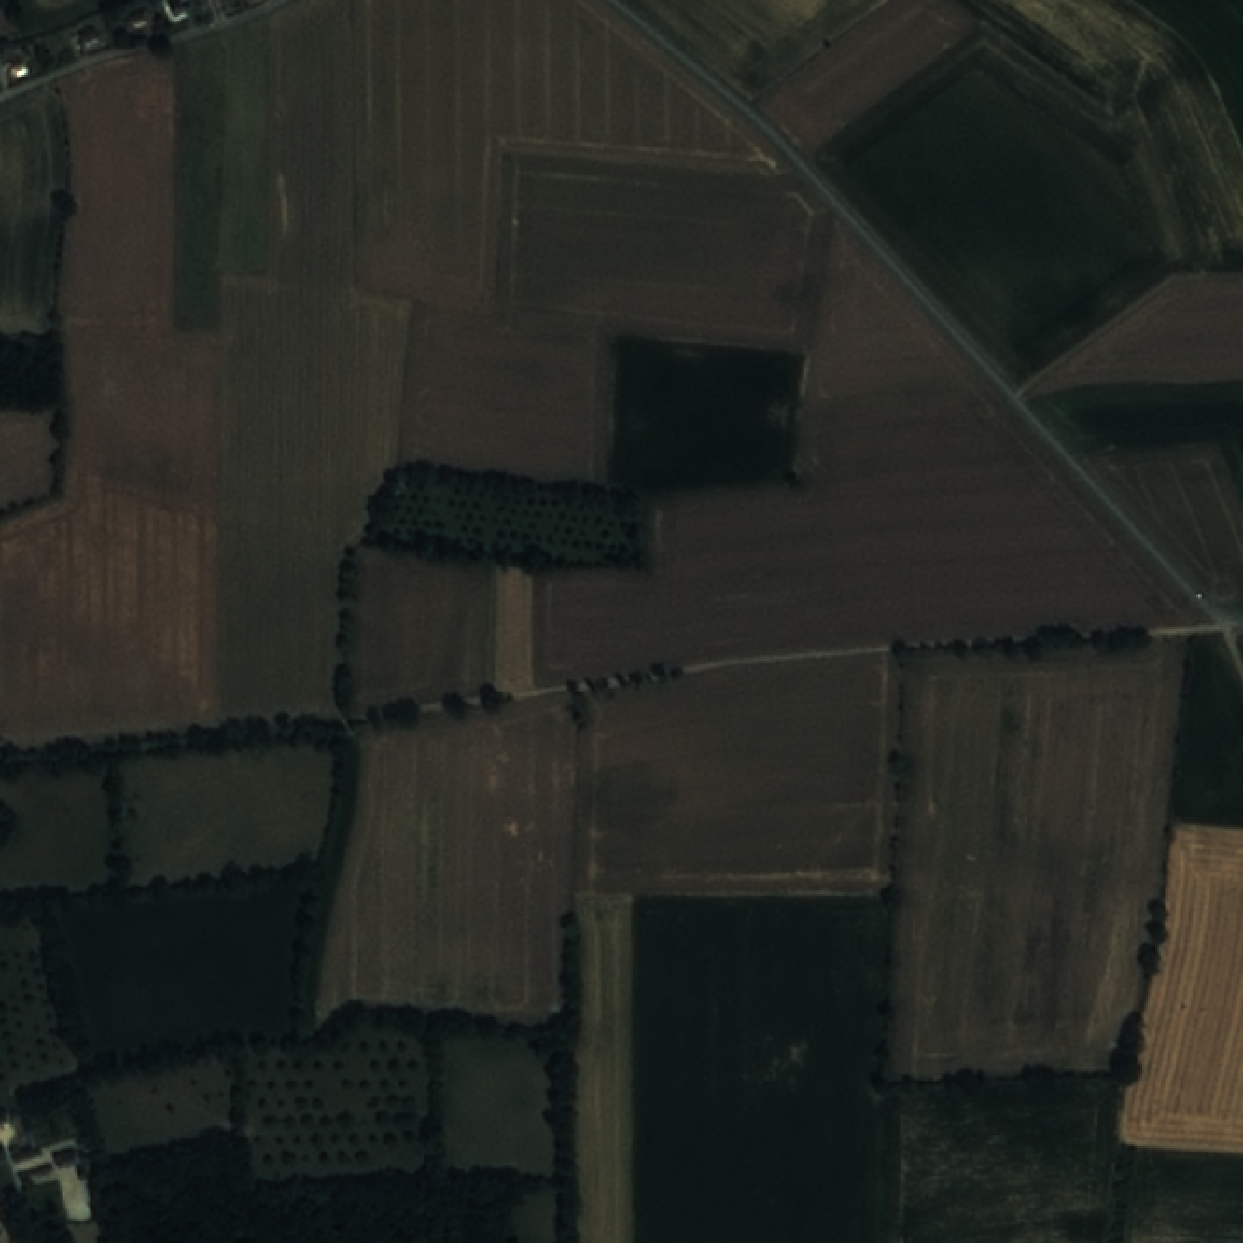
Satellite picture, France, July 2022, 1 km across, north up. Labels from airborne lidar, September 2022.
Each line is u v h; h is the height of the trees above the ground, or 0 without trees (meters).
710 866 0
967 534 0
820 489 0
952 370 0
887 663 0
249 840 0
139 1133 0
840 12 0
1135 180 0
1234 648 0
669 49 0
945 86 0
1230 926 0
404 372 0
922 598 0
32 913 19
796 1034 0
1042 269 0
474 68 0
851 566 0
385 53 0
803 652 0
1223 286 0
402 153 0
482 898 0
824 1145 0
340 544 0
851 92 0
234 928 0
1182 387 0
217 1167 18
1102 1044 0
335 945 0
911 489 0
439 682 0
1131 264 0
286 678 0
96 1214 16
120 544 0
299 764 0
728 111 0
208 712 0
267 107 0
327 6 0
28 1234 26
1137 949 0
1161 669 0
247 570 0
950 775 0
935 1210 0
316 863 21
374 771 0
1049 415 0
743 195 0
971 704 0
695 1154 0
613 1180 0
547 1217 0
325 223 0
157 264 0
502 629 0
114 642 0
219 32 0
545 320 0
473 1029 18
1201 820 0
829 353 0
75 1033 18
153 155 0
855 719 0
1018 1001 0
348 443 0
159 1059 25
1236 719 0
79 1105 21
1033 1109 0
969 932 0
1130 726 0
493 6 0
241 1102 11
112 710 0
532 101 0
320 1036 12
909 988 0
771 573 0
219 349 0
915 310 0
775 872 0
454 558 19
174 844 0
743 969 0
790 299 0
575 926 13
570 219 0
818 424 0
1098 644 15
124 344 0
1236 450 0
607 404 0
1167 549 0
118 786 13
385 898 0
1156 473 0
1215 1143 0
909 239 0
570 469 0
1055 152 0
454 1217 25
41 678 0
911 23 0
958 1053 0
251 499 0
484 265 0
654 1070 0
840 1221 0
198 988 0
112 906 12
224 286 0
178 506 0
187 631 0
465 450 0
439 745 0
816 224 0
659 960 0
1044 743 0
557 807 0
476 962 0
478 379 0
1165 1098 0
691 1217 0
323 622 0
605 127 0
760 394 0
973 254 0
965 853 0
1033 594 0
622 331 0
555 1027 15
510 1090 0
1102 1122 0
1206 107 0
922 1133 0
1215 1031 0
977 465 0
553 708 0
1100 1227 0
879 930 0
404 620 0
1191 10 0
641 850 0
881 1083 16
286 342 0
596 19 0
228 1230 22
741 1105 0
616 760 0
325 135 0
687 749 0
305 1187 14
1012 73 0
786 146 0
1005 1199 0
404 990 0
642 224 0
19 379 33
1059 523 0
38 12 0
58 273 7
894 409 0
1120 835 0
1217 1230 0
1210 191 0
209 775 0
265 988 0
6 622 0
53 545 0
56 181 0
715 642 0
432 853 0
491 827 0
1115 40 0
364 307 0
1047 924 0
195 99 0
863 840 0
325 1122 8
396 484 16
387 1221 25
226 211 0
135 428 0
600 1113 0
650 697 0
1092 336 0
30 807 0
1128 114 0
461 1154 0
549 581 0
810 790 0
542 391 0
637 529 11
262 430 0
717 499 0
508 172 0
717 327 0
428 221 0
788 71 0
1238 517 0
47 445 0
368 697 0
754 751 0
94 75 0
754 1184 0
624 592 0
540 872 0
